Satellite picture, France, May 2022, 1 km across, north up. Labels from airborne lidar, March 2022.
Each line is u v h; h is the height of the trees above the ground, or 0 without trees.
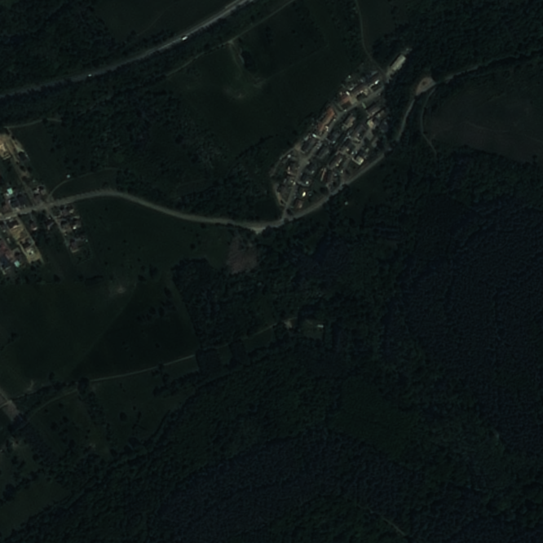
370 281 16
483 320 28
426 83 0
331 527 8
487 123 0
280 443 25
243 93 0
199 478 23
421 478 27
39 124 0
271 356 9
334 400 9
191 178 0
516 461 21
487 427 18
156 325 0
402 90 7
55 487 0
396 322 29
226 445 11
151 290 0
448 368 26
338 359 22
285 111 0
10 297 0
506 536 32
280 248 7
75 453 12
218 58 0
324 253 31
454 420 25
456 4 14
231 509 25
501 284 28
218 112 0
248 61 19
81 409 0
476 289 23
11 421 0
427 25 10
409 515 14
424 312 29
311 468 21
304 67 0
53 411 0
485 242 26
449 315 29
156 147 0
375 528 16
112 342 0
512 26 19
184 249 0
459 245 25
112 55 15
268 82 0
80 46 17
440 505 23
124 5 0
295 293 7
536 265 28
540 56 10
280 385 13
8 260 0
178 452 10
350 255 28
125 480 12
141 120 12
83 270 0
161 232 0
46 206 0
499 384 20
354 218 0
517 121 0
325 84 0
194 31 0
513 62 16
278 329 7
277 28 0
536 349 21
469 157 22
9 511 0
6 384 0
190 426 8
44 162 0
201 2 0
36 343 0
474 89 0
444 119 0
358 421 25
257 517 27
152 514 8
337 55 0
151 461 8
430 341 30
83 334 0
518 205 31
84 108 7
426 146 6
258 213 0
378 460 22
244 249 10
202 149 6
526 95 0
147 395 0
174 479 14
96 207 0
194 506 22
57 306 0
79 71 0
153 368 0
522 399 23
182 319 0
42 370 0
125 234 0
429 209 13
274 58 0
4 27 20
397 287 15
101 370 0
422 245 15
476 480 25
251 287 7
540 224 28
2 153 0
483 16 21
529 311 27
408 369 24
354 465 26
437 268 26
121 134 9
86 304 0
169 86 0
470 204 9
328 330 9
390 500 25
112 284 0
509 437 27
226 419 9
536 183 19
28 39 29
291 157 0
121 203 0
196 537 21
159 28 0
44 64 23
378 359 22
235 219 21
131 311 0
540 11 15
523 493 30
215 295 6
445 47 16
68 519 20
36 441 18
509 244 24
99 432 0
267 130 0
